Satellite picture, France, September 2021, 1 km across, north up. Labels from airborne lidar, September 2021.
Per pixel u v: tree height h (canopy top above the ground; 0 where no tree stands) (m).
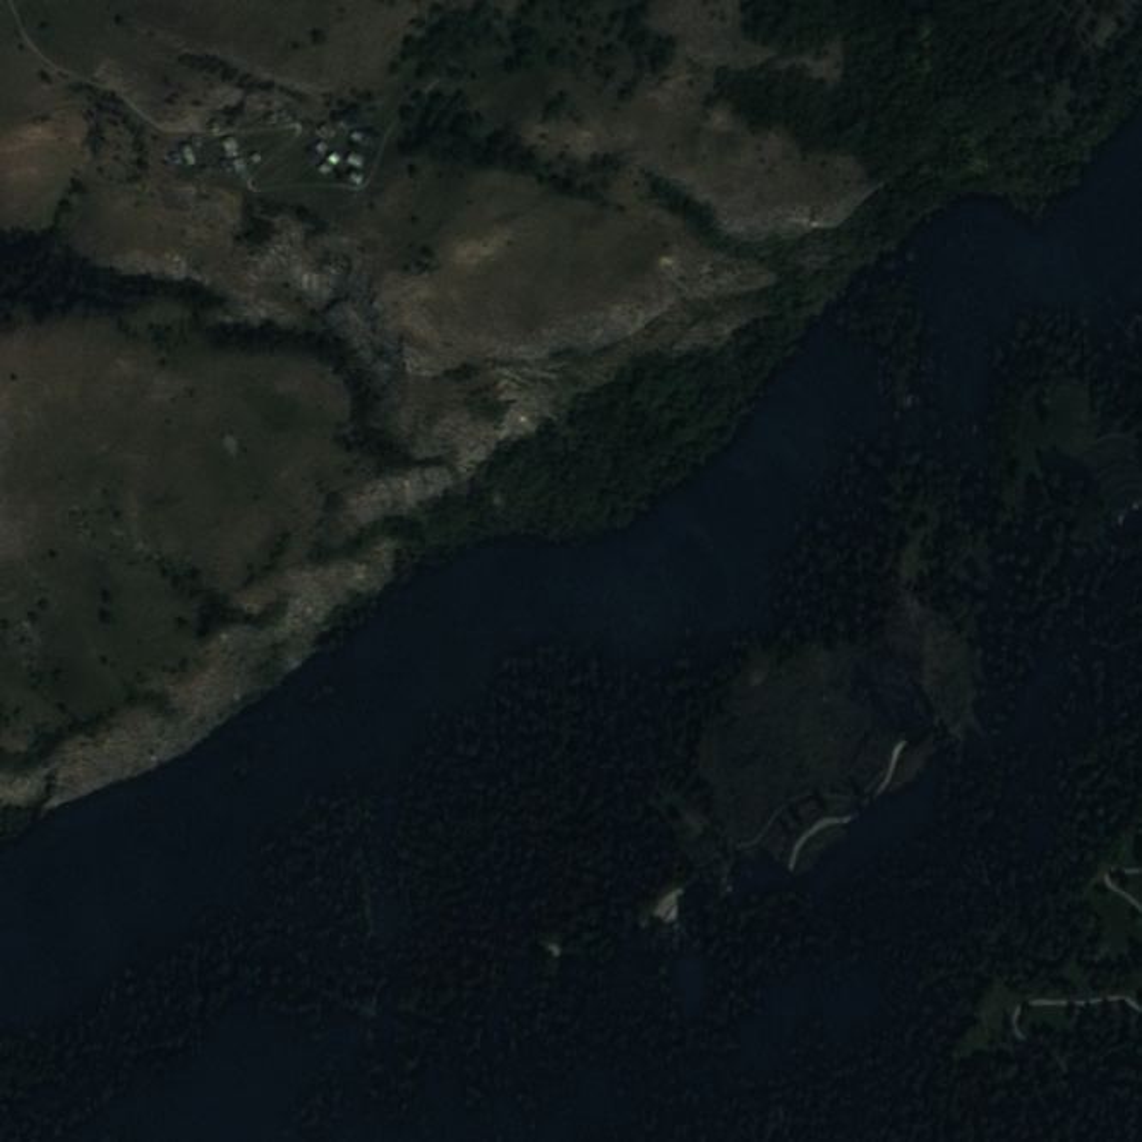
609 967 18
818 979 18
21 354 0
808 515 9
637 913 10
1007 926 12
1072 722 17
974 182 7
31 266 11
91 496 0
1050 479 16
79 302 12
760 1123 20
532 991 14
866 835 0
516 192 0
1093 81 17
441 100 16
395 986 11
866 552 21
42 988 0
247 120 0
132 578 0
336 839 14
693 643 12
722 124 0
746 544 7
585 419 16
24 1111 14
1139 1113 23
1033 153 13
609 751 16
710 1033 12
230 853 15
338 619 8
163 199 0
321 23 0
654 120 0
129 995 16
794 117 10
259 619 11
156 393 0
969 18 10
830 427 9
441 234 0
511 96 0
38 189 0
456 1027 17
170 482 0
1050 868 18
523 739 15
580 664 12
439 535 6
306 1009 16
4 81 0
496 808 18
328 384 0
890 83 16
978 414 8
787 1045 13
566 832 17
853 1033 14
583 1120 16
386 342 10
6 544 0
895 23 26
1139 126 8
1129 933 0
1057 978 10
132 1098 15
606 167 9
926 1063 23
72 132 0
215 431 0
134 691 6
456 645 8
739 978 16
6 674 0
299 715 12
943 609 13
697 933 11
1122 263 7
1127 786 21
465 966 14
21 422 0
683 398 23
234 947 17
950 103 22
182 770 13
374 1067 15
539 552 12
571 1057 23
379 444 8
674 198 16
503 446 12
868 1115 22
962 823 14
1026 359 12
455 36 16
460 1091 14
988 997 10
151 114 0
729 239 14
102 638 0
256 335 11
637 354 8
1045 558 21
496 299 0
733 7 0
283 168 0
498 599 11
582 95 0
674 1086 17
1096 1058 17
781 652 18
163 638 0
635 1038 15
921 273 17
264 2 0
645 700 8
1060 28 15
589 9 13
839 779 0
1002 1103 14
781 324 15
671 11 0
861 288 27
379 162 0
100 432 0
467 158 15
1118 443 0
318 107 0
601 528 17
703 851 0
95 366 0
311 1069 14
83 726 6
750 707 0
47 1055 15
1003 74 21
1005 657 18
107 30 0
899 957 20
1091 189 16
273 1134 13
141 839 11
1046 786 20
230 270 0
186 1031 16
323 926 7
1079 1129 31
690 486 9
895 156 9
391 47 0
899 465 11
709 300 6
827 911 18
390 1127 17
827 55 6
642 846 16
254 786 10
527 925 13
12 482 0
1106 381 15
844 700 0
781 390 12
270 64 0
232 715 11
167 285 15
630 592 0
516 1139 9
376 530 7
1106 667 8
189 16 0
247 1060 8
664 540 0
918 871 15
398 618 16
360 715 17
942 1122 19
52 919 10
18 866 11
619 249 0
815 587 19
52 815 7
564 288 0
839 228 8
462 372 7
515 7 0
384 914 0
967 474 8
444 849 14
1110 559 12
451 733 20
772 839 0
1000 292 8
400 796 12
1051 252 0
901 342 23
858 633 21
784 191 0
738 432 19
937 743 10
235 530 0
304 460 0
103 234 0
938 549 10
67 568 0
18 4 0
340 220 0
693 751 8
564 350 5
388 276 0
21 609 0
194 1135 14
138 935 14
